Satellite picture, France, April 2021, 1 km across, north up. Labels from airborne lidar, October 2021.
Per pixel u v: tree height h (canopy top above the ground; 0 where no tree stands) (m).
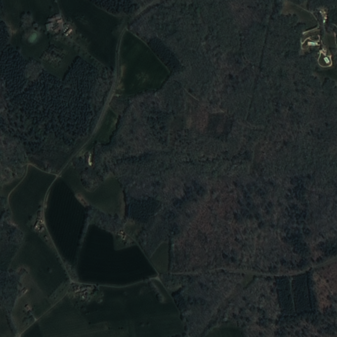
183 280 20
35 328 0
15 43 0
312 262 10
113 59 0
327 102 12
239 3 13
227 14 17
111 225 17
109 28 0
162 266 0
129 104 16
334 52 13
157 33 19
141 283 0
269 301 14
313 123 12
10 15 0
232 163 14
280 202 18
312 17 0
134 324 0
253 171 9
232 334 0
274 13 6
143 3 11
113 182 0
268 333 13
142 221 19
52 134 21
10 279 19
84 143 0
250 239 18
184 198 9
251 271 15
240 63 23
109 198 0
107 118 0
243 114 18
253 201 18
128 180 19
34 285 0
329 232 22
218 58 18
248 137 18
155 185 16
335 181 21
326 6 17
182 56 15
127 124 22
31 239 0
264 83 21
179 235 23
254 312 26
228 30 16
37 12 0
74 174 0
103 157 18
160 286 0
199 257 6
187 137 15
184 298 17
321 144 12
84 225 16
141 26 20
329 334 28
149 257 15
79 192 0
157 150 18
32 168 0
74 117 16
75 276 9
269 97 21
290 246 24
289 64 17
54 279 0
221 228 7
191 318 18
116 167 19
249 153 18
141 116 16
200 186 20
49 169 12
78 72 18
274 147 6
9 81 17
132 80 0
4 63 19
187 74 20
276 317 17
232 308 15
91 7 0
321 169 17
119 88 0
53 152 15
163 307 0
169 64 20
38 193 0
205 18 23
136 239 12
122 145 15
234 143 17
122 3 20
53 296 7
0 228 17
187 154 14
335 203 11
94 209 9
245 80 11
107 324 0
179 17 16
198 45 23
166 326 0
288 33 13
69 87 13
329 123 8
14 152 15
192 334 16
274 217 17
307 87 13
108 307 0
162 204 17
